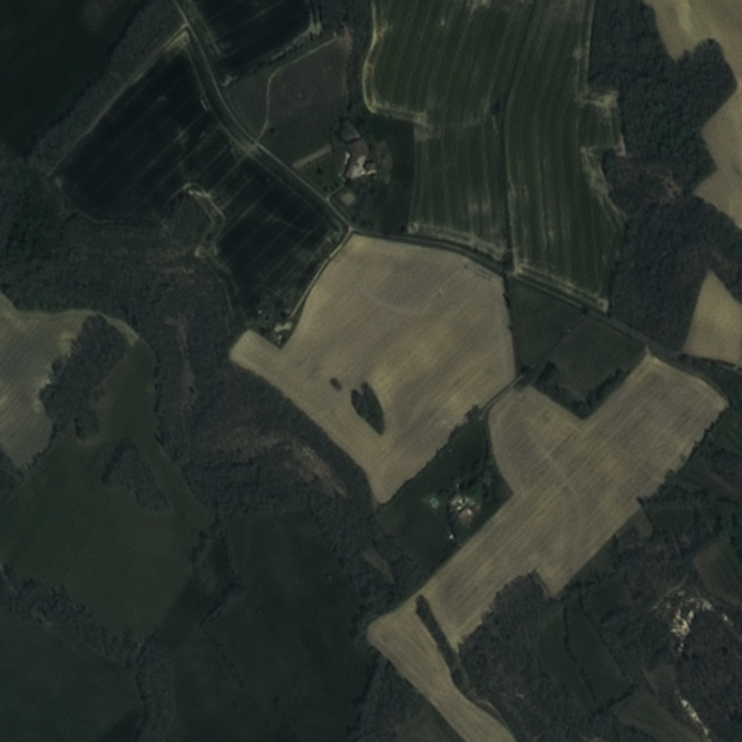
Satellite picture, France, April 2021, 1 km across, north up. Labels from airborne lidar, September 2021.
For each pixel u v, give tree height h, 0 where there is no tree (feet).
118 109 0
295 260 0
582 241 0
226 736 0
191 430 37
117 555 0
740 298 43
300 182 0
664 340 38
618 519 0
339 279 0
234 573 27
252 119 0
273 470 34
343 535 52
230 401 31
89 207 0
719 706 24
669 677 0
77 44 0
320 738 0
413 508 0
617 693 0
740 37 0
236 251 0
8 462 52
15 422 0
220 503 51
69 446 0
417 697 41
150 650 52
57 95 0
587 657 0
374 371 0
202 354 37
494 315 0
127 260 27
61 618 58
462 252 0
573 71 0
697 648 25
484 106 0
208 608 0
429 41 0
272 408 38
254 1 0
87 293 53
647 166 47
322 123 0
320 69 0
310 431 41
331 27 52
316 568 0
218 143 0
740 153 0
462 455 0
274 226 0
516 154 0
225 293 26
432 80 0
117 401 0
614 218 0
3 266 47
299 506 34
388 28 0
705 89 58
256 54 0
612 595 0
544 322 0
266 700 0
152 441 0
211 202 0
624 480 0
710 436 30
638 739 68
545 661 0
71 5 0
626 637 42
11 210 53
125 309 49
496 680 26
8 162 35
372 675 25
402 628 0
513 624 49
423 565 0
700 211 41
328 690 0
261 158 0
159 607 0
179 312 26
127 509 0
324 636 0
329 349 0
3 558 0
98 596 0
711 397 0
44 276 53
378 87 0
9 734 0
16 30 0
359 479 55
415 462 0
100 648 56
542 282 0
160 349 45
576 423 0
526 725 22
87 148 0
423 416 0
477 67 0
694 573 35
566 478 0
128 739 0
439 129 0
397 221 0
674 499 43
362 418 44
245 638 0
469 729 0
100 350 59
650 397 0
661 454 0
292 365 0
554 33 0
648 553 19
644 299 40
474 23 0
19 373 0
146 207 0
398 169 0
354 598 0
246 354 0
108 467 0
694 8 0
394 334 0
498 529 0
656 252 43
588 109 0
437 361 0
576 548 0
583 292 0
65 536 0
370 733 34
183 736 0
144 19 60
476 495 42
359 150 0
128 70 56
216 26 0
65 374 63
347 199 0
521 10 0
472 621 0
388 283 0
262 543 0
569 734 24
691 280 33
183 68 0
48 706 0
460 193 0
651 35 26
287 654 0
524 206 0
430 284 0
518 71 0
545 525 0
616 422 0
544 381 52
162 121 0
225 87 20
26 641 0
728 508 63
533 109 0
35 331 0
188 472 39
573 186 0
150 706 48
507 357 0
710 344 0
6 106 0
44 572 0
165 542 0
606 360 0
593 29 20
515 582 0
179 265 24
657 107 55
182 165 0
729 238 49
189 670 0
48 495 0
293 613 0
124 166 0
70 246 26
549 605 44
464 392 0
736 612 31
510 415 0
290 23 0
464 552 0
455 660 28
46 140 53
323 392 0
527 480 0
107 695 0
